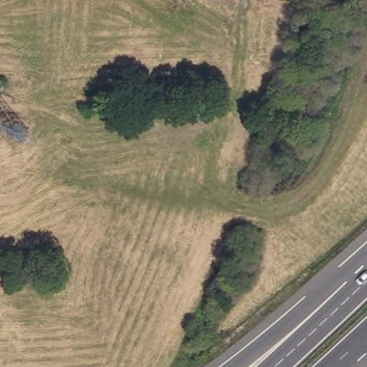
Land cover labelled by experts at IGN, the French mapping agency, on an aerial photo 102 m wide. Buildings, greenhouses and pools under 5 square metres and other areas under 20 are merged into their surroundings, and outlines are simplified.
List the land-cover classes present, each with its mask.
<instances>
[{"label":"agricultural land","instance_id":"1","mask_svg":"<svg viewBox=\"0 0 367 367\"><path fill-rule=\"evenodd\" d=\"M282 0H0V257H4L7 251L22 252V255L29 257L32 249H52L57 254H65L67 261L72 265V274L69 275L66 287L62 291L44 295L43 298L33 288L26 287L13 294H6L0 285V367H169L178 354L179 344L183 338V315L192 313L196 305L201 310L206 308L212 295L218 294L221 290L216 278L221 271L222 259L235 255L234 249H229L227 245L229 235L232 232H241L249 238L255 232L261 234L265 231L261 274L252 290L244 294L235 305L227 318L216 328L219 331L228 330L237 324L255 305L270 297L272 292L280 290L282 285L291 280L301 268L307 267L334 247L367 216V83H364V77L348 80L343 102L338 106V109L343 110L341 115L345 123L343 129L338 130L334 136V145L328 149L323 163L318 168V175L292 191L272 195L271 198L252 199L248 198L245 192L239 191L237 175L239 169L244 166V146L249 135L247 129L242 126L239 113L248 112L251 103L265 105L268 102L267 89L272 76L267 72L271 67V60L280 62L287 54L277 47V22L284 16ZM125 69L139 73H148V69H153L151 77L155 85L162 83L171 87L181 85L186 77L198 76L201 79L218 80L219 83L227 80L228 113L208 123L196 122L183 126L166 125L163 120H155L152 128L140 133L138 139H123L118 132L106 130L105 123L99 116L85 119L77 109L83 106L89 109L93 105V92L99 87L115 83Z\"/></svg>","mask_w":367,"mask_h":367},{"label":"deciduous trees","instance_id":"2","mask_svg":"<svg viewBox=\"0 0 367 367\"><path fill-rule=\"evenodd\" d=\"M284 16L277 22V47L287 54L280 62L271 60V67L267 72L272 76L267 89L268 102L265 105L251 103L248 112L239 113L242 126L247 129L249 135L244 146V166L239 169L237 175L239 191L245 192L248 198L252 199L271 198L272 195L292 191L318 175V168L323 163L328 149L334 145V136L338 130L343 129L345 123L341 115L343 110L338 109V106L343 102L348 80L347 66L353 65L356 53L361 50V36L367 37V0H282ZM148 73H139L125 69L115 83L99 87L93 92V105L89 109L83 106L77 109L85 119L99 116L105 123L106 130L118 132L123 139H138L140 133L152 128L155 120H163L166 125L183 126L196 122L208 123L228 113L227 80L219 83L218 80L201 79L198 76L186 77L181 85L171 87L162 83L155 85L151 77L153 69H148ZM227 245L229 249H234L235 255L222 259L221 271L216 278L221 290L227 292V297L231 298L232 304L235 305L244 294L252 290L261 274L265 231L261 234L255 232L249 238L241 232H232L229 235ZM72 274V265L67 261L65 254H57L52 249H32L29 257L22 255V252L7 251L4 257H0V285L6 294H13L26 287L33 288L43 298L44 295L62 291L66 287L69 275Z\"/></svg>","mask_w":367,"mask_h":367},{"label":"impervious surface","instance_id":"3","mask_svg":"<svg viewBox=\"0 0 367 367\"><path fill-rule=\"evenodd\" d=\"M367 302V229L337 257L331 259L304 287L295 292L290 300L285 301L234 347L219 356L204 367H298ZM308 367H367V314Z\"/></svg>","mask_w":367,"mask_h":367},{"label":"herbaceous vegetation","instance_id":"4","mask_svg":"<svg viewBox=\"0 0 367 367\"><path fill-rule=\"evenodd\" d=\"M367 229V216L334 247L307 267L301 268L291 280L282 285L280 290L272 292L270 297L255 305L237 324L228 330L219 331V338L222 341L219 345V356L234 347L285 301L290 300L295 292L304 287L331 259L337 257ZM367 314V302L298 367H308Z\"/></svg>","mask_w":367,"mask_h":367},{"label":"brushwood","instance_id":"5","mask_svg":"<svg viewBox=\"0 0 367 367\"><path fill-rule=\"evenodd\" d=\"M235 305L232 304L231 298L227 297V292L221 290L218 294L212 295L206 308L201 310L196 305L192 313L183 315V338L179 344L178 354L169 367H204L219 356V345L222 341L219 338V331L216 328L227 318Z\"/></svg>","mask_w":367,"mask_h":367},{"label":"pervious surface","instance_id":"6","mask_svg":"<svg viewBox=\"0 0 367 367\"><path fill-rule=\"evenodd\" d=\"M361 50L356 53L353 65L347 66L348 80L364 77V83H367V37L361 36Z\"/></svg>","mask_w":367,"mask_h":367}]
</instances>
